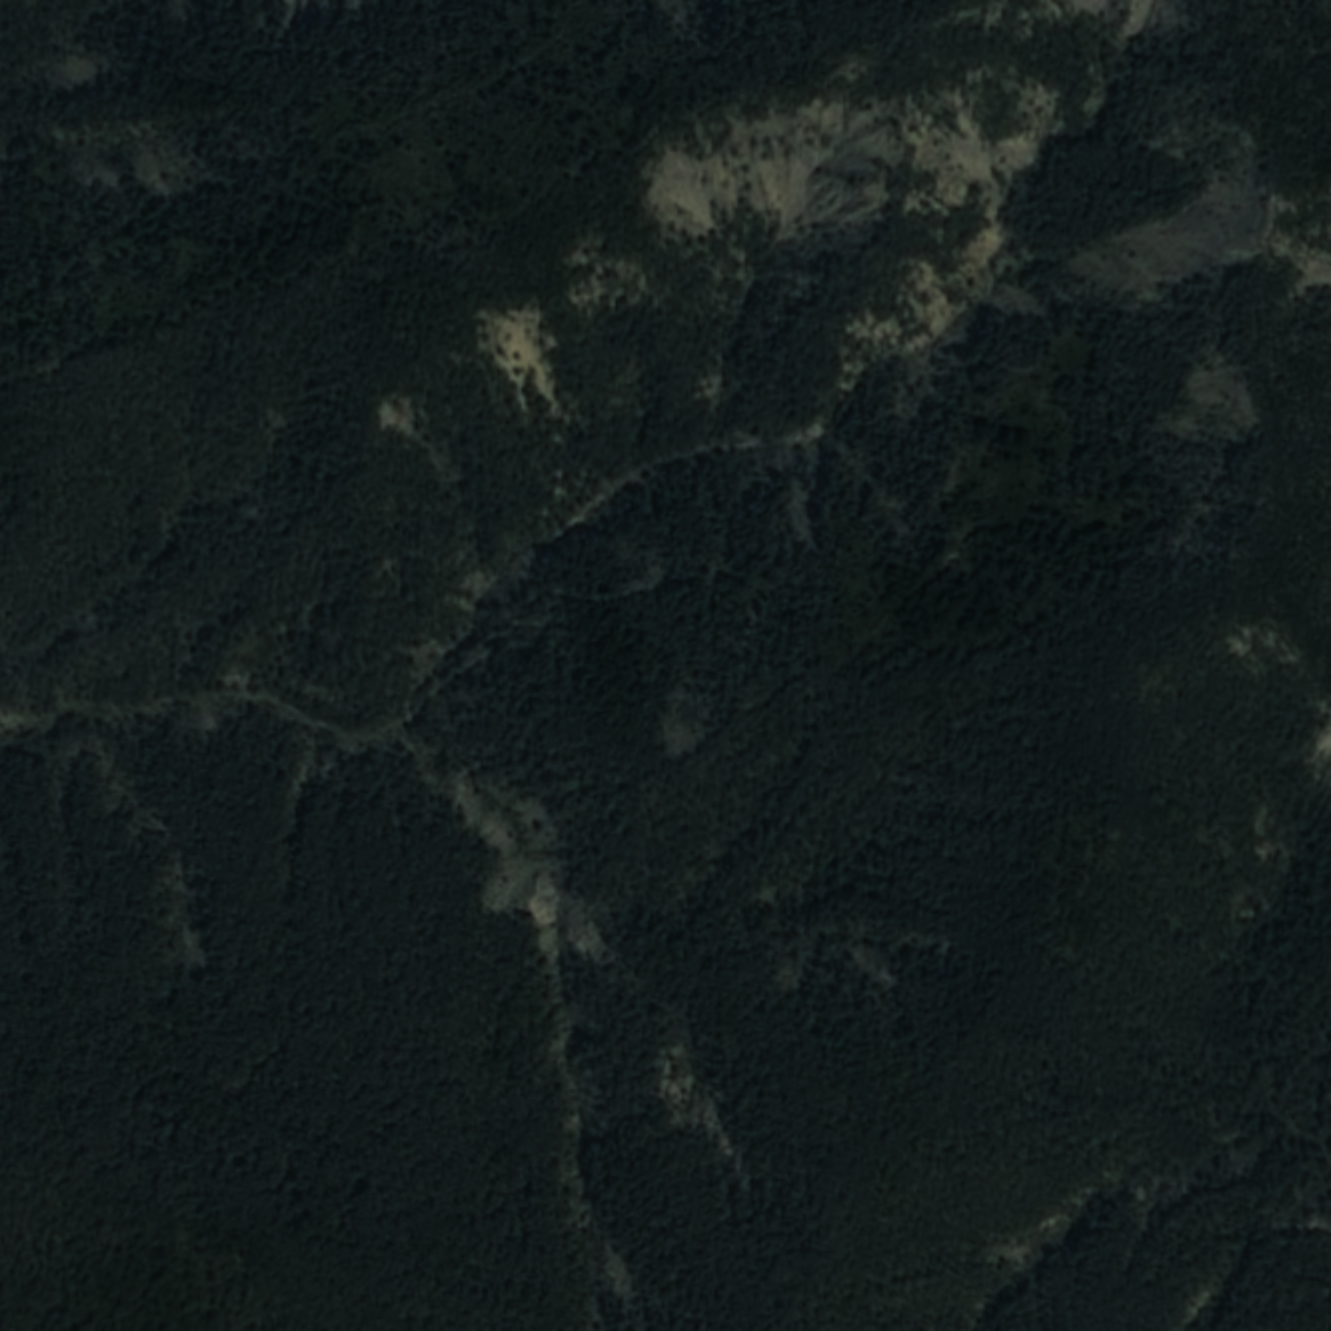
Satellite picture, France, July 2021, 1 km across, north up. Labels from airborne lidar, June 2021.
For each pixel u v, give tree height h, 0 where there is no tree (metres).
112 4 10
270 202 11
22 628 11
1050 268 11
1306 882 9
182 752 11
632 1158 9
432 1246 19
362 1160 18
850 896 12
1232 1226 8
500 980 11
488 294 8
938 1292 7
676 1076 8
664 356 6
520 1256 15
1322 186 7
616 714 11
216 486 7
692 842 10
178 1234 13
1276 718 11
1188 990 8
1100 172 12
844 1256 9
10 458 12
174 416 6
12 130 10
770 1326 11
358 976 14
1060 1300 10
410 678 10
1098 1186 9
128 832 10
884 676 9
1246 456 10
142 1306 12
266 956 14
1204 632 9
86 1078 13
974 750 12
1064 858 8
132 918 12
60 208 9
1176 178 10
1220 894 9
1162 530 11
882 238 8
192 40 13
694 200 0
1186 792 10
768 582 13
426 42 12
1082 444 10
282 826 12
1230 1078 11
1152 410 6
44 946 10
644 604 8
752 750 12
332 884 11
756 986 10
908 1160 8
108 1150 12
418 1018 14
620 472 8
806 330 7
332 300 10
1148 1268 11
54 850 10
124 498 16
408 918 12
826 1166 12
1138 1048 10
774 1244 14
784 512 10
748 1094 10
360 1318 12
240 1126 16
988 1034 10
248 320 10
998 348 9
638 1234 10
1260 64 8
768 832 14
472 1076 13
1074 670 9
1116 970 10
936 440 8
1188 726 9
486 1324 15
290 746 11
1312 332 10
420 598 12
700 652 8
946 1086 11
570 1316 11
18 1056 10
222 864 9
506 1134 14
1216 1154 7
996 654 11
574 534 15
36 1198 10
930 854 9
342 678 12
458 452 13
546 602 10
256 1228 17
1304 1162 9
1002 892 9
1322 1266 11
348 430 8
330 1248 20
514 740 6
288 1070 14
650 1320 10
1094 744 9
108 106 10
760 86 8
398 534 8
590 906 6
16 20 12
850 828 12
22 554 7
